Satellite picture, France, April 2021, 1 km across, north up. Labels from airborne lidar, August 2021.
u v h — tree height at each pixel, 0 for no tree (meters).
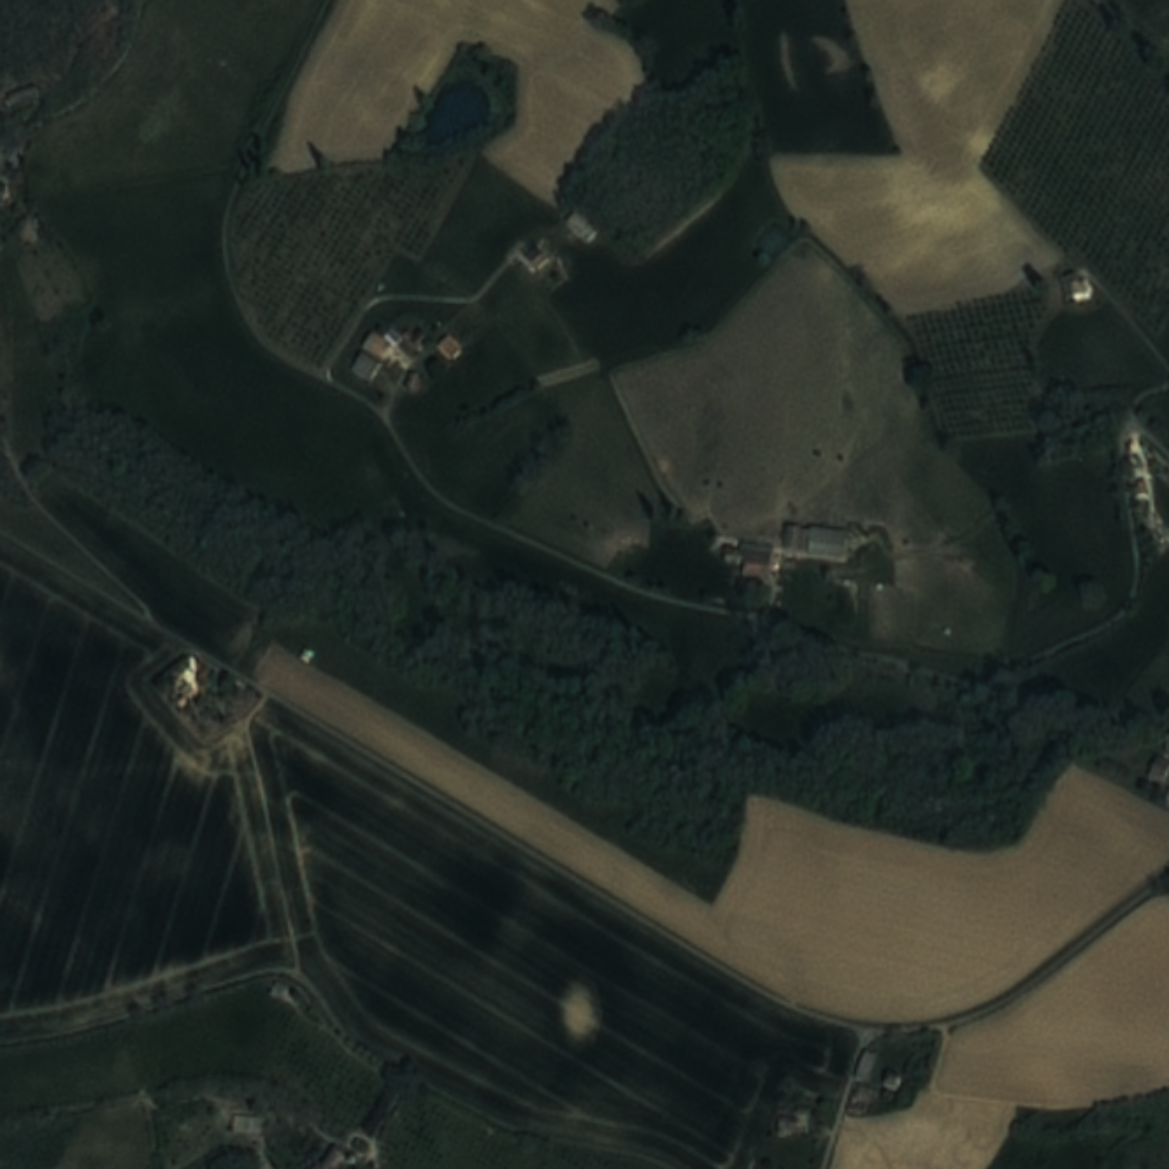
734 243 0
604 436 0
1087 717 24
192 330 0
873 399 0
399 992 0
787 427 0
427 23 0
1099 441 12
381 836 0
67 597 0
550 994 0
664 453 0
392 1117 7
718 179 20
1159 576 0
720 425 0
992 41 0
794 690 23
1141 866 0
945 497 0
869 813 15
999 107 0
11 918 0
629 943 0
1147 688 0
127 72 0
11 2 14
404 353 0
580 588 0
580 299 0
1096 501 0
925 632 0
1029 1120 12
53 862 0
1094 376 0
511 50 0
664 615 0
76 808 0
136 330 0
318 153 0
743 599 15
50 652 0
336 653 0
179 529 15
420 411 0
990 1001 0
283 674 0
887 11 0
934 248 0
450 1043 0
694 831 14
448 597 25
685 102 19
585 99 0
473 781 0
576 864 0
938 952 0
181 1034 0
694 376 0
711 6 0
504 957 0
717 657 0
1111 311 0
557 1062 0
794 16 0
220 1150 0
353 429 0
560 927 0
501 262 0
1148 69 21
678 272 0
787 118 0
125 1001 0
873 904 0
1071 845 0
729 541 0
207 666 7
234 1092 12
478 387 0
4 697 0
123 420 17
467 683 14
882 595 0
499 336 0
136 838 0
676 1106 0
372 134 0
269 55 0
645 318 0
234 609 0
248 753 0
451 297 0
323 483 0
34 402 0
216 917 0
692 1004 0
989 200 0
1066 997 0
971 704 7
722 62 20
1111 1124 14
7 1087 0
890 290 0
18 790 0
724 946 0
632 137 16
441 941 0
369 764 0
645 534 0
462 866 0
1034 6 0
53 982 0
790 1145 0
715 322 0
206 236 0
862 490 0
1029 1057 0
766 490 0
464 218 0
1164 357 0
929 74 0
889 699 0
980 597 0
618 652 25
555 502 0
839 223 0
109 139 0
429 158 11
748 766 26
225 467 0
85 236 0
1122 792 0
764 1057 0
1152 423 9
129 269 0
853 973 0
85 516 0
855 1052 0
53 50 13
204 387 0
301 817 0
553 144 0
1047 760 7
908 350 0
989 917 0
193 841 0
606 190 19
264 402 0
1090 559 0
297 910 0
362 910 0
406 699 0
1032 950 0
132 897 0
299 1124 17
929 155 0
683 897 0
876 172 0
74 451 16
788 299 0
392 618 26
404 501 0
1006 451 0
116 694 0
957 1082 0
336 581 19
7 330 0
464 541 0
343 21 0
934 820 13
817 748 21
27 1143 7
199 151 0
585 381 0
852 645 0
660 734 31
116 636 0
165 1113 12
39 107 9
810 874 0
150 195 0
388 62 0
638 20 0
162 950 0
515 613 22
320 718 0
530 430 0
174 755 0
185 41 0
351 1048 10
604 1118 0
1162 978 0
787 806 12
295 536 23
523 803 0
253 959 0
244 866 0
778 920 0
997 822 15
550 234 0
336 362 0
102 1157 0
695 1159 0
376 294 0
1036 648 0
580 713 27
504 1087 0
